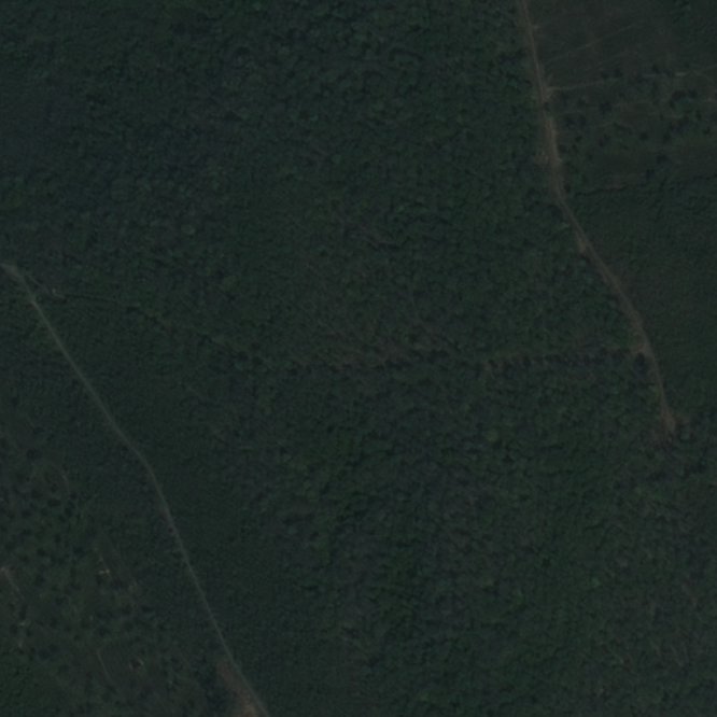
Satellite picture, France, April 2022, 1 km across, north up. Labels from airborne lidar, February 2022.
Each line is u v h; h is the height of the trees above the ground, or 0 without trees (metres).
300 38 26
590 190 27
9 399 0
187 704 0
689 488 28
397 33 26
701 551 34
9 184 26
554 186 0
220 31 23
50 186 23
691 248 10
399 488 27
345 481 27
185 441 18
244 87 26
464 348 28
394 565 24
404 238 27
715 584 31
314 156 27
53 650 0
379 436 31
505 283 32
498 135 31
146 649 27
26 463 0
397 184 29
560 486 29
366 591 26
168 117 20
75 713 0
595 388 30
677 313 13
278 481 28
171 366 24
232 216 22
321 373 24
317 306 24
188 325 27
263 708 0
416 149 33
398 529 20
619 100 0
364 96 28
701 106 28
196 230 29
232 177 22
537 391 25
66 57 24
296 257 24
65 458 16
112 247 22
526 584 29
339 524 22
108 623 26
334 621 27
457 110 30
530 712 24
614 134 0
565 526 27
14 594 0
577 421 27
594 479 27
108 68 28
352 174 27
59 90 24
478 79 27
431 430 26
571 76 0
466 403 29
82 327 18
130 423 14
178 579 19
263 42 28
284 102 26
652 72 0
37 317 15
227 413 31
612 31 0
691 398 20
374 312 30
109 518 13
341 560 28
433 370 30
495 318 31
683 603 27
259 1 26
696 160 0
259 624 17
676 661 27
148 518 19
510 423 30
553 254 28
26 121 0
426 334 29
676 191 16
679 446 31
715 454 32
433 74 27
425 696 27
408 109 29
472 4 31
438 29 29
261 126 26
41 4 25
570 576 28
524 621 29
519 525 29
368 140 29
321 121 25
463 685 23
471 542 30
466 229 30
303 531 26
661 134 0
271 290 26
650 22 0
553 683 27
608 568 29
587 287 28
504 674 27
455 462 25
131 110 26
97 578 0
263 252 22
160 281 28
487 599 31
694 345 13
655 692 27
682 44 0
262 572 19
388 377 23
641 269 8
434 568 30
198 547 18
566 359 0
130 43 28
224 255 28
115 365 16
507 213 32
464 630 24
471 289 33
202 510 18
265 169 25
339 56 27
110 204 23
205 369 25
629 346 32
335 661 17
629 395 30
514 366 0
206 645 20
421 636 25
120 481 17
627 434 30
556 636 30
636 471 31
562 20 0
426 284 30
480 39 22
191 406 19
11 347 17
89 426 22
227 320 29
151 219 23
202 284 30
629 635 26
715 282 12
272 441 31
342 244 26
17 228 23
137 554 19
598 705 27
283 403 28
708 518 13
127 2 29
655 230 12
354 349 25
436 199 29
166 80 20
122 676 0
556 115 28
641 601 24
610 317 29
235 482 22
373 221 28
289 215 23
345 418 29
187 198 23
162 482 16
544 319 30
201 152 22
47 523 27
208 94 29
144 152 22
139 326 20
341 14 27
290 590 18
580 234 0
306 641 19
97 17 25
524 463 28
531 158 27
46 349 17
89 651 0
